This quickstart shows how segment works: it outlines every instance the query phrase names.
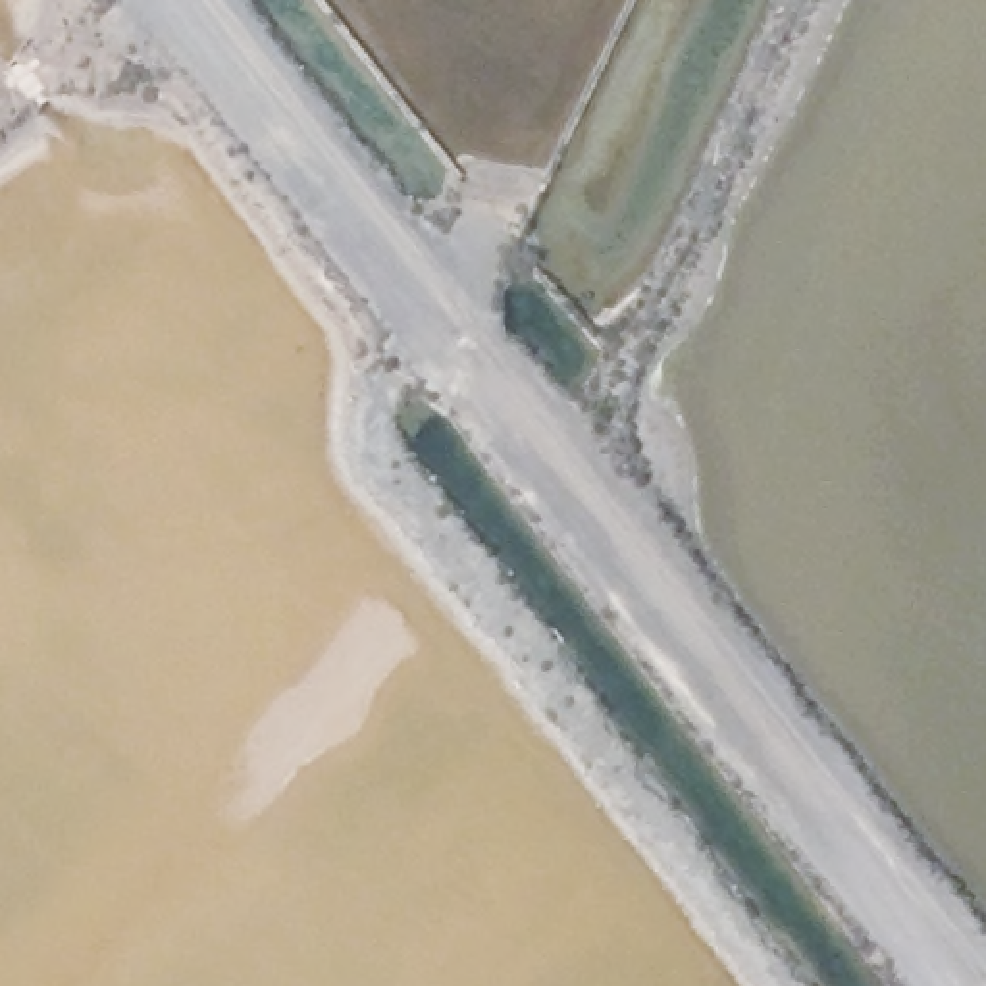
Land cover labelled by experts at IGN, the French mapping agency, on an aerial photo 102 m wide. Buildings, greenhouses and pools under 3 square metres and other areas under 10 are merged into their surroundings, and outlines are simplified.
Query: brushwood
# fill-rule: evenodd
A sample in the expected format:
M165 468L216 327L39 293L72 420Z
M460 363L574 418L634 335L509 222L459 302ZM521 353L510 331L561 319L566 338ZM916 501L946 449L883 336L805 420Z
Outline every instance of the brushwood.
M728 609L732 620L751 636L751 643L774 662L774 670L782 670L801 713L851 759L855 774L863 778L870 797L897 820L917 859L928 863L932 874L951 882L951 890L963 897L963 905L986 932L986 897L978 897L971 878L963 878L955 855L936 840L936 832L924 832L924 824L913 813L905 813L905 801L886 786L886 766L863 743L855 724L832 701L813 697L801 666L793 662L793 647L778 636L778 628L770 620L755 620L747 605L740 605L743 589L720 558L720 547L713 543L705 524L689 528L670 497L659 501L655 512L697 566L701 582L709 585L709 601L716 609Z
M709 851L724 897L747 909L759 944L770 955L778 955L790 967L790 978L801 986L824 986L824 978L790 932L774 928L770 921L759 921L766 913L763 897L740 886L736 867L724 855Z
M905 986L894 971L890 947L874 944L863 932L847 905L824 886L824 878L813 874L797 859L797 851L790 851L774 832L759 832L763 847L793 878L797 894L824 917L824 924L836 936L847 940L859 963L874 967L874 978L882 986Z
M639 273L632 289L639 293L639 300L616 324L597 324L597 316L585 320L570 308L555 281L543 277L543 270L532 273L532 285L589 350L589 366L562 389L582 412L593 416L593 435L605 454L612 454L616 474L632 478L636 485L647 485L651 462L639 439L643 381L651 374L662 335L682 316L686 273L697 266L701 247L716 235L732 243L743 204L732 200L732 185L755 146L759 104L736 81L701 150L701 162L693 166L693 177L678 200L678 216L670 220L651 258L651 270Z
M23 100L0 123L0 150L8 150L12 139L23 135L31 119L42 119L42 104Z

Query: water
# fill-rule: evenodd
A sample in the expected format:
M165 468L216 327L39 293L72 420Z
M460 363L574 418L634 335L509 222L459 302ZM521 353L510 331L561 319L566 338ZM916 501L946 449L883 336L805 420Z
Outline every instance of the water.
M562 389L589 366L589 350L532 285L501 289L501 320L505 331L532 354L532 362L539 362L547 377Z
M770 166L763 169L751 200L743 204L732 243L713 308L701 316L701 324L678 347L662 374L662 389L678 401L697 454L705 524L713 543L720 547L720 558L743 589L740 605L747 605L755 620L770 620L778 628L778 636L793 647L793 662L801 666L813 697L832 701L855 724L863 743L886 766L886 786L905 801L905 813L913 813L924 824L924 832L936 832L936 840L955 855L963 878L971 878L978 897L986 897L986 0L851 0L820 69L805 89L793 123L782 131Z
M370 54L370 62L389 77L397 96L412 108L412 116L431 131L431 139L451 158L481 154L516 166L543 162L555 131L566 119L574 92L582 89L597 58L597 46L620 0L327 0L331 15L354 35L354 42Z
M597 697L601 713L616 724L632 755L655 759L659 778L670 786L670 809L693 817L697 840L709 851L724 855L736 867L740 886L763 897L766 913L759 921L770 921L774 928L790 932L824 978L824 986L882 986L874 978L874 967L859 963L847 940L836 936L824 924L824 917L797 894L793 878L763 847L759 832L724 793L720 778L701 759L693 736L643 686L620 643L597 628L585 601L555 570L555 562L520 524L512 505L497 493L489 474L474 462L462 435L431 412L439 404L439 393L408 385L393 416L397 439L408 447L416 466L435 478L443 501L466 524L466 532L497 558L501 582L508 582L512 593L566 639L574 670Z
M693 177L693 166L701 162L701 150L736 81L747 62L747 42L755 39L770 0L636 0L570 146L562 150L535 208L524 220L524 227L535 231L539 247L551 250L555 270L585 297L593 312L616 304L632 289L639 273L651 270L651 258L670 220L678 216L678 200Z
M381 104L374 85L366 85L366 77L343 58L343 50L331 42L320 15L304 0L247 0L250 12L262 19L266 35L273 39L273 46L300 69L300 77L339 116L339 123L370 154L370 162L389 173L397 196L424 200L431 200L443 181L435 158Z
M327 335L285 285L285 277L273 270L258 235L239 220L239 212L208 177L208 169L193 158L193 150L158 139L150 127L85 123L81 116L42 104L42 119L54 123L46 158L31 162L0 185L0 986L740 986L732 971L720 963L720 955L701 940L686 909L674 901L674 894L647 867L647 859L624 840L609 813L593 801L593 793L578 782L562 751L535 732L520 701L505 689L497 666L462 636L462 628L435 605L428 585L412 574L412 566L377 535L370 516L362 516L362 508L343 493L327 451ZM258 820L231 820L231 801L247 786L247 736L254 720L270 709L277 693L297 686L320 662L320 655L339 636L358 601L385 601L389 609L397 609L416 639L412 655L401 659L393 674L381 682L370 716L354 740L300 766L289 790Z

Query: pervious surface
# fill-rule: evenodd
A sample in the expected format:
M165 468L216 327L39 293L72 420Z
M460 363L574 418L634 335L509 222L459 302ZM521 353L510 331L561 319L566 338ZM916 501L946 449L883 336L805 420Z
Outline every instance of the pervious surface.
M435 605L462 628L462 636L497 666L505 689L520 701L535 732L562 751L578 782L593 793L593 801L609 813L624 840L647 859L647 867L674 894L674 901L686 909L701 940L720 955L720 963L732 971L740 986L801 986L790 978L790 967L778 955L770 955L759 944L747 909L724 897L709 851L697 840L693 817L670 809L670 786L659 778L655 759L632 755L616 724L601 713L597 697L574 670L566 639L512 593L508 582L501 582L497 558L466 532L466 524L443 501L435 478L416 466L408 447L397 439L393 416L408 385L439 393L439 404L431 412L462 435L474 462L489 474L497 493L512 505L520 524L555 562L555 570L585 601L597 628L620 643L643 686L693 736L701 759L720 778L724 793L759 832L774 832L790 851L797 851L797 859L813 874L824 878L824 886L847 905L863 932L874 944L890 947L894 971L905 986L986 986L986 932L963 905L963 897L951 890L951 882L932 874L928 863L917 859L897 820L870 797L863 778L855 774L851 759L801 713L782 670L774 670L774 662L751 643L751 636L732 620L728 609L716 609L709 601L709 585L701 582L697 566L655 512L659 501L670 497L689 528L705 524L697 454L678 401L662 389L662 374L678 347L701 324L701 316L713 308L732 243L716 235L701 247L697 266L686 273L682 316L662 335L651 374L643 381L639 439L651 462L647 485L636 485L632 478L616 474L612 454L605 454L593 435L593 416L582 412L562 389L547 377L539 362L532 362L532 354L505 331L501 320L501 289L532 285L532 273L543 270L543 277L555 281L570 308L585 320L597 316L597 324L616 324L639 300L639 293L632 289L616 304L593 312L585 297L555 270L551 250L539 247L535 231L524 227L524 220L535 208L562 150L570 146L636 0L620 0L597 46L597 58L582 89L574 92L566 119L555 131L543 162L516 166L481 154L451 158L431 139L431 131L412 116L412 108L397 96L389 77L370 62L370 54L354 42L354 35L331 15L327 0L304 0L320 15L331 42L343 50L343 58L366 77L366 85L374 85L381 104L435 158L443 181L431 200L424 200L397 196L389 173L370 162L370 154L339 123L339 116L300 77L300 69L273 46L273 39L266 35L262 19L250 12L247 0L0 0L0 123L23 100L42 104L81 116L85 123L150 127L158 139L193 150L193 158L208 169L208 177L239 212L239 220L258 235L273 270L285 277L285 285L327 335L327 451L343 493L362 508L362 516L370 516L377 535L412 566L412 574L428 585Z
M46 158L54 123L42 119L31 119L23 135L12 139L8 150L0 150L0 185L31 162Z
M736 81L759 104L755 146L732 185L732 200L743 204L751 200L763 169L770 166L782 131L793 123L805 89L820 69L851 0L770 0L755 39L747 42L747 62Z
M416 639L397 609L389 609L385 601L358 601L339 636L320 655L320 662L297 686L277 693L270 709L254 720L247 736L247 786L231 801L231 820L258 820L289 790L300 766L354 740L370 716L381 682L393 674L401 659L412 655Z

